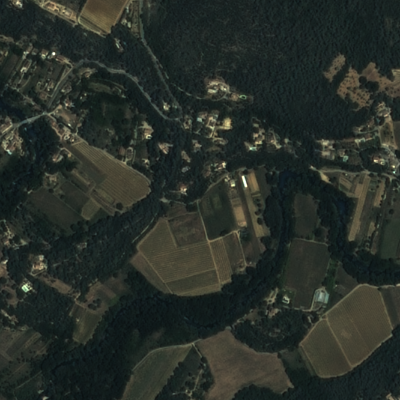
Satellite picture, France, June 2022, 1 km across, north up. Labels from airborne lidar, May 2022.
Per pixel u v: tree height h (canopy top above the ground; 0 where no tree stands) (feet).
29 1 22
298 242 0
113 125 39
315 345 0
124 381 65
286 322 27
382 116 23
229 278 0
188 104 65
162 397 49
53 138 68
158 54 37
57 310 50
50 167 43
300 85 62
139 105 45
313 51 30
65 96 39
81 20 0
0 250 0
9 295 57
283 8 49
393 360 59
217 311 55
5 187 69
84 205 0
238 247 0
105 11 0
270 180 50
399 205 0
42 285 65
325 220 62
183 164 27
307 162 60
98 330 43
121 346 56
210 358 0
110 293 0
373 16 27
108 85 25
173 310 60
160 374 0
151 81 20
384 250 0
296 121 33
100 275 63
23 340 0
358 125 29
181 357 0
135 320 76
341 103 42
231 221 0
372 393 61
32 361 20
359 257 18
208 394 0
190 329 26
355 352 0
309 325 29
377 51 56
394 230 0
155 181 37
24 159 80
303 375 26
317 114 29
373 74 0
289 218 58
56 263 60
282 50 45
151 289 26
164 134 35
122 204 34
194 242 0
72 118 0
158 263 0
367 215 0
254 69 58
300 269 0
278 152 67
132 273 29
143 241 0
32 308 34
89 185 0
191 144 32
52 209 0
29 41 21
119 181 0
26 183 52
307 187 71
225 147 68
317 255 0
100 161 0
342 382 72
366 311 0
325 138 64
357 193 0
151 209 35
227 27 23
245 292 80
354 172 74
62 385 31
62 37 45
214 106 48
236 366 0
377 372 68
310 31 62
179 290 0
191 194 35
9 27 36
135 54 68
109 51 35
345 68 31
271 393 43
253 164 71
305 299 0
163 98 56
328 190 91
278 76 65
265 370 0
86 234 41
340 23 35
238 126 39
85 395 48
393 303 0
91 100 23
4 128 0
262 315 27
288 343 55
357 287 0
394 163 0
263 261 60
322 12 50
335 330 0
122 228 51
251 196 0
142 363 0
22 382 23
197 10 22
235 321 51
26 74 38
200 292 0
